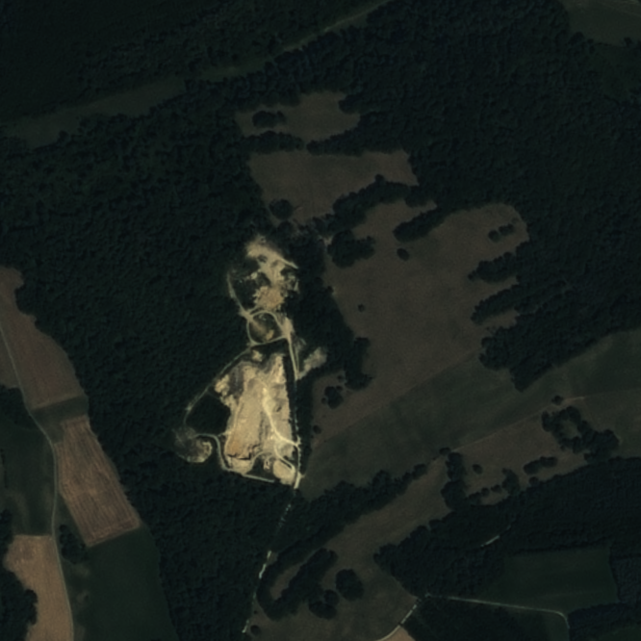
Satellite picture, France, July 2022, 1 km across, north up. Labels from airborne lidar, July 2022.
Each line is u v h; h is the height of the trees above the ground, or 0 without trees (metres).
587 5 0
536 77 22
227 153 25
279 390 0
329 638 0
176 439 0
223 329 15
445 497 13
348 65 28
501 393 0
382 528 0
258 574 13
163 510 22
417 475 14
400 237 22
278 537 13
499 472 0
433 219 21
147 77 24
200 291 22
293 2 22
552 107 17
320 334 20
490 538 8
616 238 18
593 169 21
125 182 18
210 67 21
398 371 0
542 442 0
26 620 21
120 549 0
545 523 15
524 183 19
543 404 0
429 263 0
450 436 0
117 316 17
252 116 0
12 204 18
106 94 18
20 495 0
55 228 20
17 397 14
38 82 11
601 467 16
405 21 23
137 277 17
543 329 15
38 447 0
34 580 0
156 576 0
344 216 19
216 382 0
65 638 0
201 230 19
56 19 12
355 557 0
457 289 0
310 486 0
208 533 14
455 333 0
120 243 13
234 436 0
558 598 0
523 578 0
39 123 0
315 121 0
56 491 0
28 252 27
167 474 22
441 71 24
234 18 19
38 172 21
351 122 0
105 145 5
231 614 22
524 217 18
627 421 0
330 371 12
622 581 18
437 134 27
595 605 0
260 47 28
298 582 20
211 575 16
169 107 21
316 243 17
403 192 21
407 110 25
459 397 0
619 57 0
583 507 16
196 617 25
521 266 17
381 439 0
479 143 22
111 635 0
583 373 0
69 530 15
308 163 0
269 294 0
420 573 24
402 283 0
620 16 0
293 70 22
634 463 17
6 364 0
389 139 23
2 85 11
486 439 0
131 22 6
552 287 19
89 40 6
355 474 0
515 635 8
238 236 18
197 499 13
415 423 0
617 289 29
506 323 0
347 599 16
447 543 13
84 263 23
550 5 27
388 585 0
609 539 10
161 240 25
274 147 22
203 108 32
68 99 16
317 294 23
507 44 9
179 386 10
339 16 18
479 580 23
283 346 9
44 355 0
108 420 21
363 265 0
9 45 12
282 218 17
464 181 23
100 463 0
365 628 0
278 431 0
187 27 17
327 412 0
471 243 0
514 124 21
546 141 10
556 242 19
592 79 23
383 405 0
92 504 0
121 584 0
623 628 22
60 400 0
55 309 24
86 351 16
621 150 19
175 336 11
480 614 7
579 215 23
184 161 26
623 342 0
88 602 0
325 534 28
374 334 0
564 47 18
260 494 16
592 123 19
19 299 17
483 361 16
